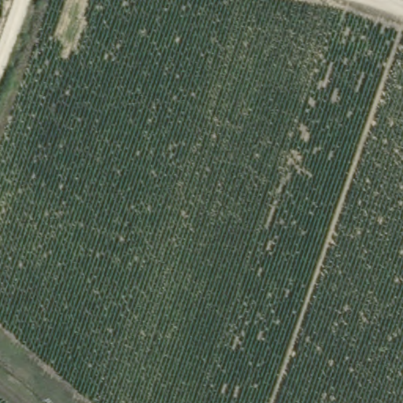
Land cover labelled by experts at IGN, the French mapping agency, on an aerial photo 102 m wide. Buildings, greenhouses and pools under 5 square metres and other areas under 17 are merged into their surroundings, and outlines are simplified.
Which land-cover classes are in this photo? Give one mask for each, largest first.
<instances>
[{"label":"vineyard","instance_id":"1","mask_svg":"<svg viewBox=\"0 0 403 403\"><path fill-rule=\"evenodd\" d=\"M14 0H0V35L13 9ZM0 324L13 332L20 342L38 354L47 365L54 368L55 372L72 384L79 394L90 398L91 403H403V31L383 27L381 24H375L373 20L329 5H313L296 0H31L28 3L27 16L22 22L16 43L9 55L8 65L0 77Z\"/></svg>","mask_w":403,"mask_h":403},{"label":"herbaceous vegetation","instance_id":"2","mask_svg":"<svg viewBox=\"0 0 403 403\"><path fill-rule=\"evenodd\" d=\"M313 5H329L373 20L375 24H381L383 27L403 31V17L351 0H296ZM0 403H91L90 398L79 394L72 384L55 372L54 368L47 365L38 354L20 342L13 332L0 324Z\"/></svg>","mask_w":403,"mask_h":403},{"label":"pervious surface","instance_id":"3","mask_svg":"<svg viewBox=\"0 0 403 403\"><path fill-rule=\"evenodd\" d=\"M31 0H14L13 9L0 35V77L8 65L9 55L16 43L22 22L27 16L28 3ZM403 17V0H351Z\"/></svg>","mask_w":403,"mask_h":403}]
</instances>
